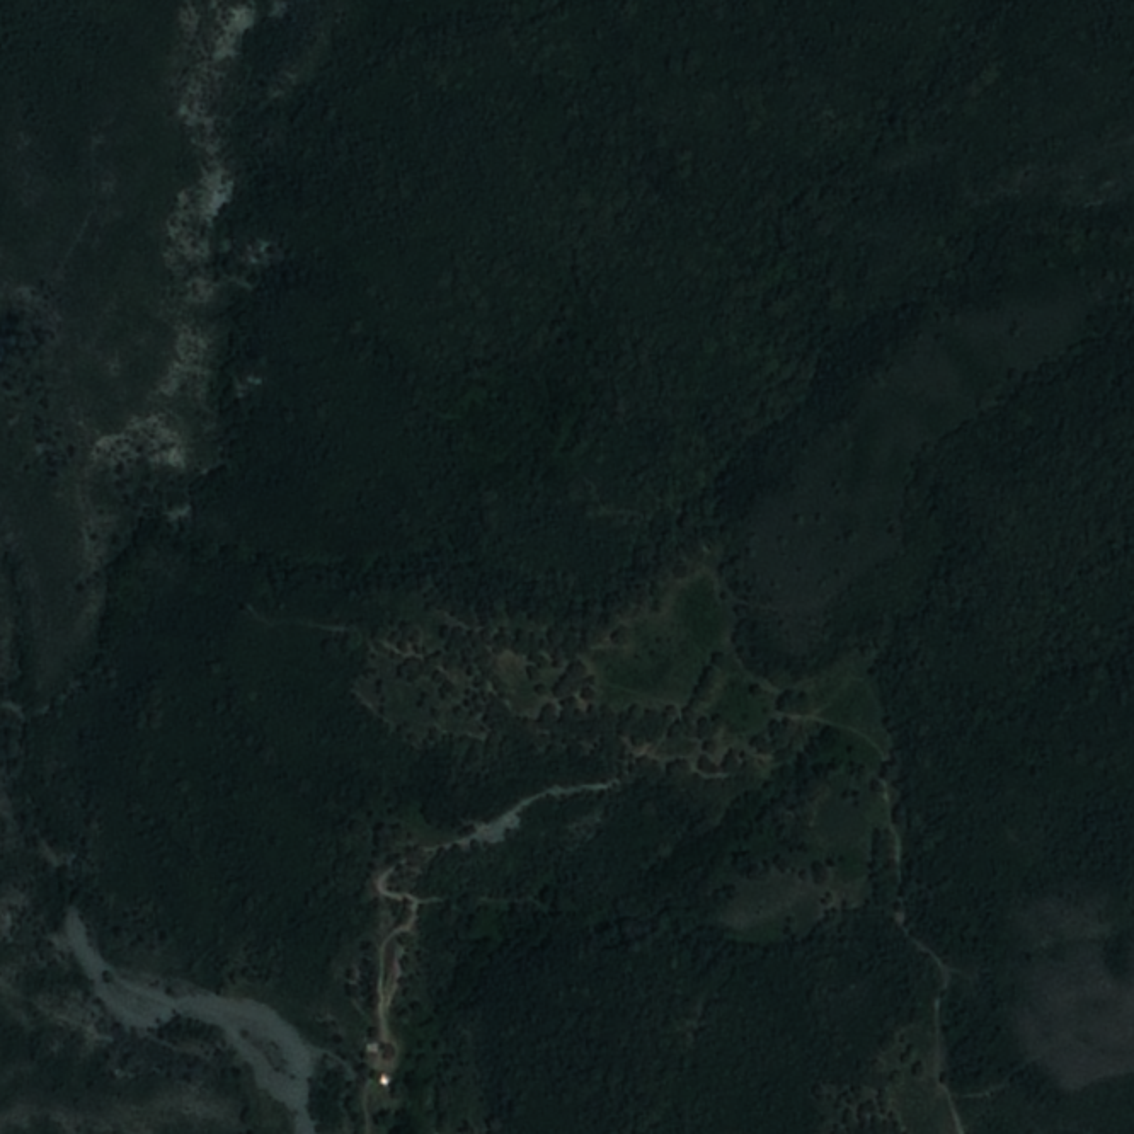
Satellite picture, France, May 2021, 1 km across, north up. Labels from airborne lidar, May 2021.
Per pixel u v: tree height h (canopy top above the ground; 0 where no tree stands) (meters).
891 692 7
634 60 10
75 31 7
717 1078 7
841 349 10
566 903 9
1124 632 14
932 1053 0
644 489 12
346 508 7
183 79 7
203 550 10
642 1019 10
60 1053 10
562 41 10
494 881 6
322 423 6
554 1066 12
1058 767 5
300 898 8
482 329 12
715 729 10
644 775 13
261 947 9
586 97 9
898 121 22
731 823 17
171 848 10
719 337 9
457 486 7
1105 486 10
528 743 13
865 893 0
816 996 10
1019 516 7
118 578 8
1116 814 9
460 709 10
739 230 9
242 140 7
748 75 8
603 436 9
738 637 11
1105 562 9
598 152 12
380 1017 0
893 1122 10
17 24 9
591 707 10
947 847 7
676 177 8
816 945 8
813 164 9
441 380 13
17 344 22
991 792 8
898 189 11
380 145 7
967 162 7
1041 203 9
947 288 12
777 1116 6
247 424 7
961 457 15
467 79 7
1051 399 15
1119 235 12
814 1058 7
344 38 8
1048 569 8
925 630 9
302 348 6
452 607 11
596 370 11
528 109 9
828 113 6
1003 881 6
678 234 6
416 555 18
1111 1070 0
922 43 7
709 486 8
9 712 7
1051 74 7
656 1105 15
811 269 9
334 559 9
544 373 7
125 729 12
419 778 11
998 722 7
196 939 9
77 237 0
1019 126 6
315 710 6
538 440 9
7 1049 7
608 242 13
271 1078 0
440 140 7
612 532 8
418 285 6
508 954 11
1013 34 7
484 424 8
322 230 8
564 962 8
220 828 7
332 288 10
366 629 7
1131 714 7
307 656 6
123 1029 13
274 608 6
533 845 10
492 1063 8
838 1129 9
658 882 19
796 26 6
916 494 13
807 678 7
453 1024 5
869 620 10
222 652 6
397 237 8
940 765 9
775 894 0
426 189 9
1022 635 11
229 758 9
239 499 6
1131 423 8
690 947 14
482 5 8
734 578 10
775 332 11
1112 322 9
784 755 9
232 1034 0
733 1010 7
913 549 7
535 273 8
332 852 13
